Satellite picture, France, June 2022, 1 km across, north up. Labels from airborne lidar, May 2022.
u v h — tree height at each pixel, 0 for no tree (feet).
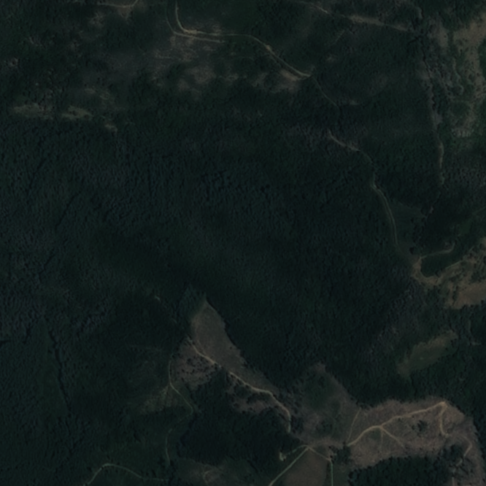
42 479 47
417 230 35
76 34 33
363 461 0
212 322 0
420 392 49
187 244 41
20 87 62
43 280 82
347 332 45
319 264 34
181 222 56
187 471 0
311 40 39
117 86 25
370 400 54
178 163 82
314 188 63
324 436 0
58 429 53
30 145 50
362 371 38
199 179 64
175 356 19
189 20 0
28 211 50
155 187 101
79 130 93
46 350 131
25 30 50
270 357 33
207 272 67
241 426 76
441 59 25
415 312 46
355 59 22
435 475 75
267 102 30
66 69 27
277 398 53
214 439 80
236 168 90
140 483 25
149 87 25
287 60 23
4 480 45
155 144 46
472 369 50
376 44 21
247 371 21
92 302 44
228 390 49
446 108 23
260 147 29
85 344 52
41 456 63
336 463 52
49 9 33
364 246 31
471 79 29
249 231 71
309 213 83
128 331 22
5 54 58
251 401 56
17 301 79
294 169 52
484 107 27
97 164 62
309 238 72
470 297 0
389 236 22
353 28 25
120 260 60
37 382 134
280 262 72
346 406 0
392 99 26
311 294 64
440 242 31
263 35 23
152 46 0
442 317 22
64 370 51
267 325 25
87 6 25
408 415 0
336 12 30
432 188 23
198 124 77
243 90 34
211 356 0
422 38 47
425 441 0
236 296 60
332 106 37
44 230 55
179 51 0
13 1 48
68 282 52
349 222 69
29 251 38
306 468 0
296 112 54
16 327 67
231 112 22
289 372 58
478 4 35
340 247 33
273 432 58
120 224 101
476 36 0
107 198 54
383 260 19
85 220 118
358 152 36
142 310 34
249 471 0
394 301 26
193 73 0
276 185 69
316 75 28
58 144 50
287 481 0
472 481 0
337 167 49
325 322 49
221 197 109
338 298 58
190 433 38
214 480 0
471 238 30
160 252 108
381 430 0
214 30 0
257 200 133
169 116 55
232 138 47
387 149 30
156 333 21
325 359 32
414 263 0
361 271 25
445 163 27
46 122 42
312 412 0
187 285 87
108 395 69
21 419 116
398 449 0
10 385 119
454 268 0
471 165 25
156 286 47
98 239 90
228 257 53
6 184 40
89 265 48
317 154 23
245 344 61
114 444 61
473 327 37
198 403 43
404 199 40
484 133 26
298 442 27
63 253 74
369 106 47
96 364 66
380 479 41
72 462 55
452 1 41
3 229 69
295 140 39
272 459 46
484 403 71
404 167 28
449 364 39
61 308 69
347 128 40
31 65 56
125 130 26
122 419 113
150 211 71
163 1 24
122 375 21
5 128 68
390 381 34
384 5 19
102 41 21
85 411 70
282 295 38
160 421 26
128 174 82
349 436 0
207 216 77
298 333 46
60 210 74
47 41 33
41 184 115
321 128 23
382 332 24
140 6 0
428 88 29
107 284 37
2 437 61
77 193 82
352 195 46
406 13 24
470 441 0
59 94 43
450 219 39
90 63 29
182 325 32
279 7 30
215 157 51
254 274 36
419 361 0
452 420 0
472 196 33
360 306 35
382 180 41
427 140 20
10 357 111
